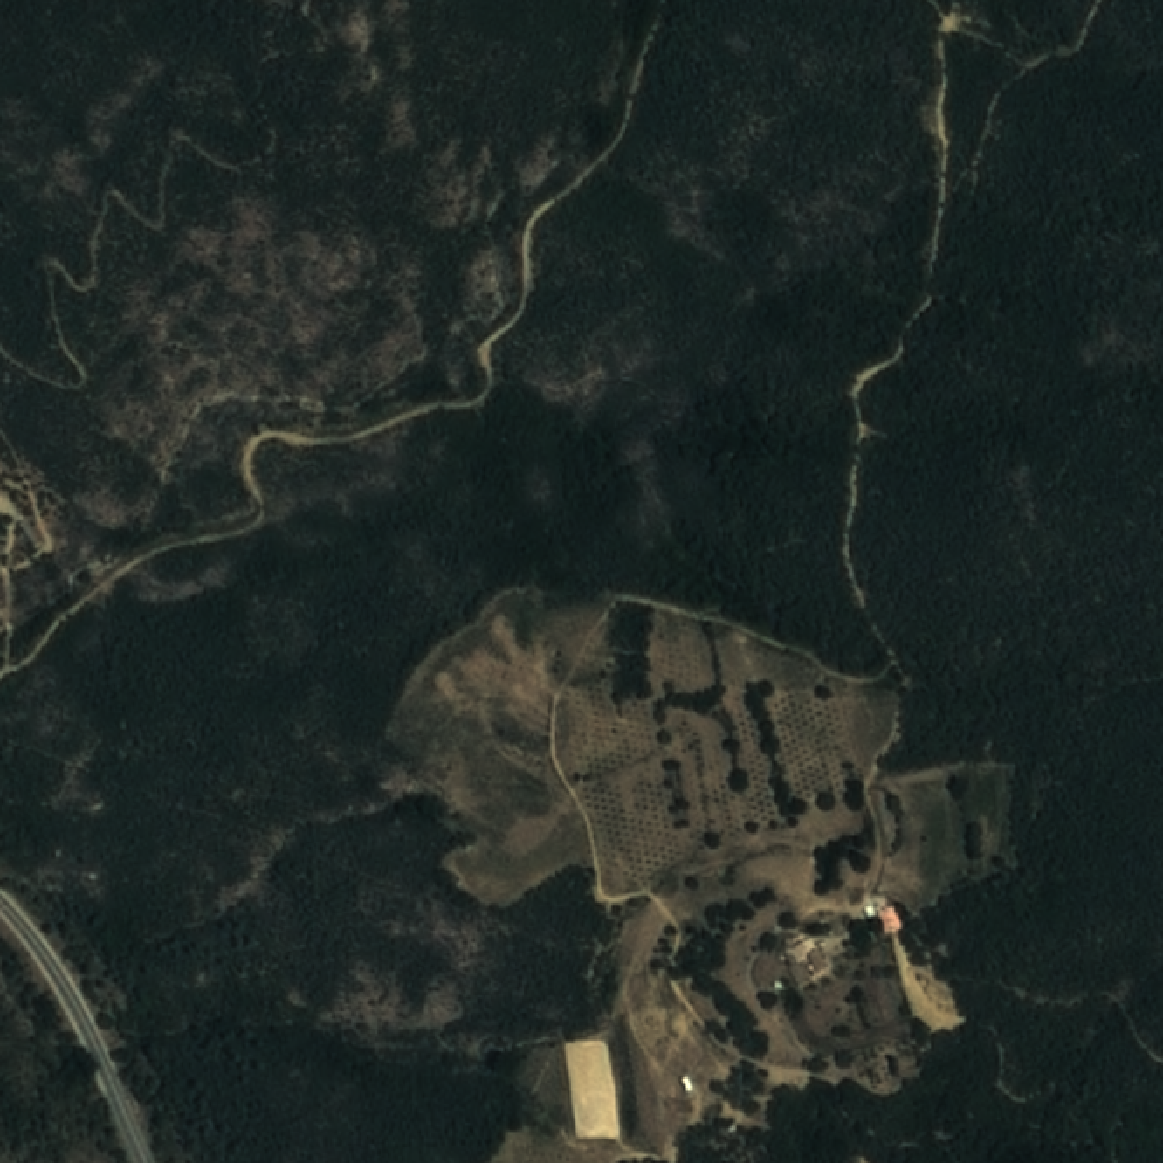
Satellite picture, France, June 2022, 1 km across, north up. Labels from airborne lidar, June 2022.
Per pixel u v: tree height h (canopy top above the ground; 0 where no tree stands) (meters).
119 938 10
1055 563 6
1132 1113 13
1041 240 7
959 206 11
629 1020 0
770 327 6
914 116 7
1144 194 9
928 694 13
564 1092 0
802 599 10
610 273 7
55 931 16
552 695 0
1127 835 7
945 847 0
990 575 7
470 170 8
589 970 8
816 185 9
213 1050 16
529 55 7
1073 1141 8
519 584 10
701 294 6
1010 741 11
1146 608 11
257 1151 12
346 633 7
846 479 9
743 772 9
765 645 0
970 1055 12
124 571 0
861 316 8
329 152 7
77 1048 10
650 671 9
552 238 8
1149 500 7
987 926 7
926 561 7
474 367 6
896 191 6
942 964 11
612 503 6
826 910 0
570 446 7
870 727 0
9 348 5
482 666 0
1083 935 8
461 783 0
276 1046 6
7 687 7
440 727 0
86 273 6
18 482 9
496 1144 10
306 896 7
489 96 10
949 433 6
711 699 13
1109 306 7
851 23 9
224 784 7
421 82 8
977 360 7
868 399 8
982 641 10
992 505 8
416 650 9
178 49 7
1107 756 6
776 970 0
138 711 7
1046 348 6
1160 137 7
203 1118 11
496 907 6
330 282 0
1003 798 0
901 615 10
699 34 11
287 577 8
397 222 7
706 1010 0
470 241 10
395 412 0
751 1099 11
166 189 5
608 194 6
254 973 7
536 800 0
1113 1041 9
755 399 13
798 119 6
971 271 11
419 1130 7
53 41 7
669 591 12
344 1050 6
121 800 7
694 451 7
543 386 0
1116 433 6
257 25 8
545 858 0
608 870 0
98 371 6
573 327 7
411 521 7
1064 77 6
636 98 10
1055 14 8
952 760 11
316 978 8
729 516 9
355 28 0
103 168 5
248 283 0
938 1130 10
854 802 13
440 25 6
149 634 9
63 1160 8
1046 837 8
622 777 0
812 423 10
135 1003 8
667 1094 0
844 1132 12
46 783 8
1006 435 8
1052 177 9
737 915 12
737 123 7
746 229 8
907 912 8
